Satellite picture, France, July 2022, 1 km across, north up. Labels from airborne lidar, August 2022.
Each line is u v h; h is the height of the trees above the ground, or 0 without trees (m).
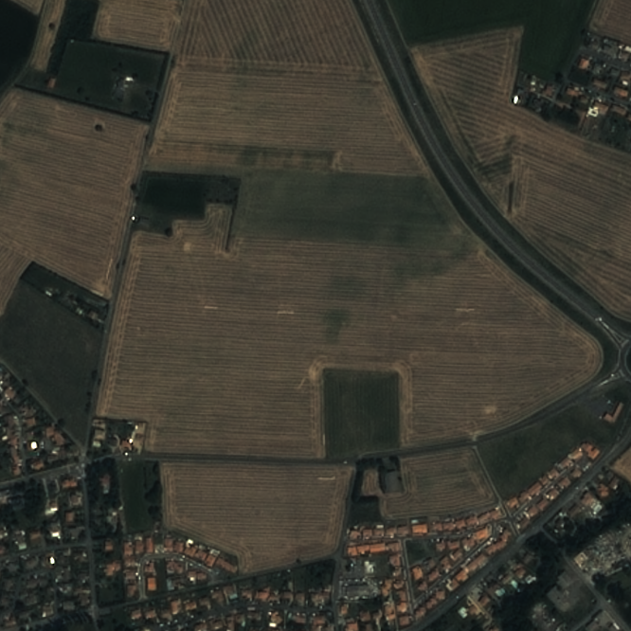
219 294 0
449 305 0
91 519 7
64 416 0
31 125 0
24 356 0
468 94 0
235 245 0
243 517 0
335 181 0
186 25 0
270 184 0
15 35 0
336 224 0
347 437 0
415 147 0
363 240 0
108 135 0
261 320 0
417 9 0
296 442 0
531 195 0
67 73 0
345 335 0
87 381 0
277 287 0
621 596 21
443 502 0
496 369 0
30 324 0
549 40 0
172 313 0
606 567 0
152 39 0
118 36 0
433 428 0
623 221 0
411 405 0
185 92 0
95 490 8
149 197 0
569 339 0
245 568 0
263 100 0
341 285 0
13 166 0
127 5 0
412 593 0
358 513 0
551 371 0
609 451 0
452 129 0
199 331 0
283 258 0
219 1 0
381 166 0
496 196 0
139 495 0
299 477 0
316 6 0
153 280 0
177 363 0
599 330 0
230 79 0
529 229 0
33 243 0
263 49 0
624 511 22
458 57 0
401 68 0
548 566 20
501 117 0
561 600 0
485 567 0
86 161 0
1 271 0
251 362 0
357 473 6
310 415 0
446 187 0
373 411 0
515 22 0
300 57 0
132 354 0
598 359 0
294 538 0
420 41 0
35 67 0
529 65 0
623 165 0
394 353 0
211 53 0
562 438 0
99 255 0
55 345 0
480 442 0
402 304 0
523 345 0
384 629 6
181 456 0
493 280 0
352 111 0
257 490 0
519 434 0
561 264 0
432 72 0
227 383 0
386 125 0
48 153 0
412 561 0
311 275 0
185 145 0
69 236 0
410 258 0
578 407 0
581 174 0
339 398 0
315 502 0
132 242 0
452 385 0
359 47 0
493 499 0
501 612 10
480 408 0
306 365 0
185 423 0
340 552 0
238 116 0
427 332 0
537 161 0
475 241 0
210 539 0
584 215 0
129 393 0
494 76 0
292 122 0
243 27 0
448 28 0
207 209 0
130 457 0
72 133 0
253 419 0
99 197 0
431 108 0
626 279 0
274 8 0
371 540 0
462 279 0
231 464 0
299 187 0
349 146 0
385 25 0
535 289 0
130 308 0
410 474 0
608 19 0
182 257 0
